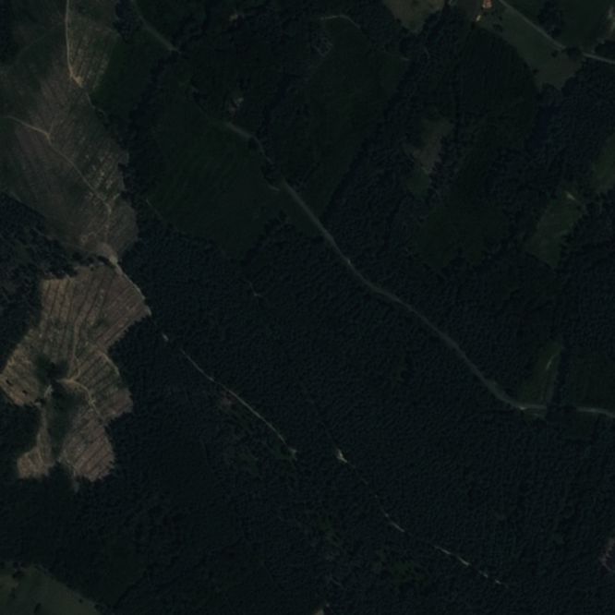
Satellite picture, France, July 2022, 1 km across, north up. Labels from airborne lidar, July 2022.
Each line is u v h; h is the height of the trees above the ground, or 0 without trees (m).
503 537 28
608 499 20
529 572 17
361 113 5
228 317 26
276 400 24
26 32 0
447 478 26
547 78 0
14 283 25
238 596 13
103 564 18
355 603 31
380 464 26
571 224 0
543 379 0
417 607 16
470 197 9
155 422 20
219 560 24
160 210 0
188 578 23
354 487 19
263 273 27
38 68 0
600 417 8
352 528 24
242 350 22
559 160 15
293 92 31
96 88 0
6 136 0
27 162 0
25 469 0
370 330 23
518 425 25
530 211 28
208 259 32
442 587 12
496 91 7
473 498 25
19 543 16
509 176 25
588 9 0
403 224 26
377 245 23
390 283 31
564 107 27
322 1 27
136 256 25
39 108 0
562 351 0
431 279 25
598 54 12
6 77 0
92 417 0
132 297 0
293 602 9
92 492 12
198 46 24
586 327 32
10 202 24
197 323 16
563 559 24
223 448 22
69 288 0
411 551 25
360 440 27
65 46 0
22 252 0
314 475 22
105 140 0
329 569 22
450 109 11
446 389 30
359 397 24
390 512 25
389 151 26
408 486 28
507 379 31
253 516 20
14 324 21
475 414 27
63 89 0
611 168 0
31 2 0
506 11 0
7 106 0
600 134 36
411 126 21
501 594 27
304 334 20
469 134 24
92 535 20
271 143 27
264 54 30
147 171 32
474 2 0
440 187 21
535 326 20
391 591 21
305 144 24
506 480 27
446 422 30
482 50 8
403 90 23
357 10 28
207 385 21
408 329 31
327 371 26
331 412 23
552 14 20
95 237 0
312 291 32
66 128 0
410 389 26
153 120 30
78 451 0
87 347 0
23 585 0
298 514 26
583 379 22
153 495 19
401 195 27
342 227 30
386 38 28
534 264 35
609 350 23
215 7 30
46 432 0
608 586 28
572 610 26
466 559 27
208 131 0
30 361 0
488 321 25
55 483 21
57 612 0
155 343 19
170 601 25
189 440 13
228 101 34
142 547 20
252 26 25
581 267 25
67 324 0
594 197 18
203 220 0
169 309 24
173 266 26
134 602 16
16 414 21
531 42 0
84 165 0
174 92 25
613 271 31
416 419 30
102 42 0
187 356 8
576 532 24
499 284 27
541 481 30
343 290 29
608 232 8
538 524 32
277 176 29
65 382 0
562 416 23
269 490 18
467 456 29
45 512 22
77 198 0
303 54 27
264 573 12
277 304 25
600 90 9
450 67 9
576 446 23
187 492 18
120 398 0
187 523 26
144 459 24
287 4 27
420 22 0
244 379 24
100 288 0
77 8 0
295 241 26
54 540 20
